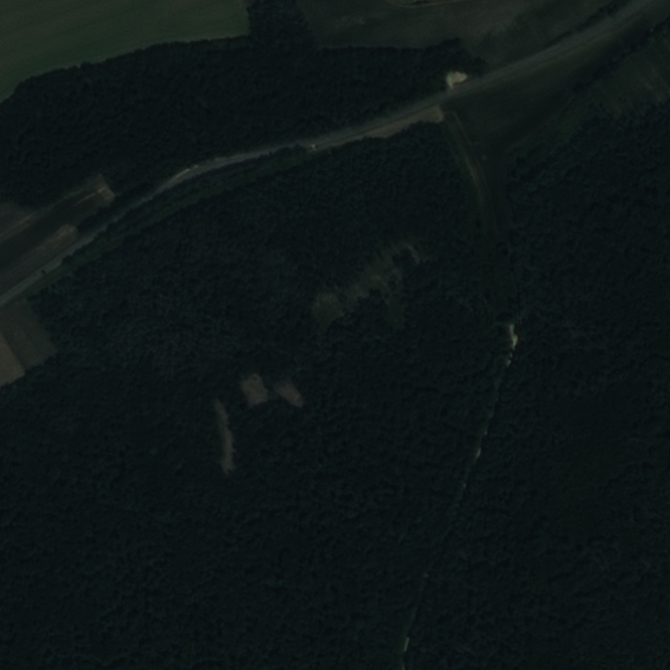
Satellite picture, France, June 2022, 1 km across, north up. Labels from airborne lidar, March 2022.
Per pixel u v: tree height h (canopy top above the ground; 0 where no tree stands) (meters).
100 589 19
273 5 16
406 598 21
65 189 17
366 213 17
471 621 25
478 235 6
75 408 20
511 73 0
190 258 19
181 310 19
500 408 21
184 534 0
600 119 17
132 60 13
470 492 17
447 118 0
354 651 23
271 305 22
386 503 22
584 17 0
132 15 0
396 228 22
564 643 18
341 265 22
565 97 0
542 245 18
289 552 23
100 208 0
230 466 0
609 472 7
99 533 22
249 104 18
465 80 0
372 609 20
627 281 14
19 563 0
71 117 13
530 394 18
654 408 12
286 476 20
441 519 22
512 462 16
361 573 20
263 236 17
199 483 20
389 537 22
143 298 21
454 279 18
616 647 21
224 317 23
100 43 0
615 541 17
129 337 17
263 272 19
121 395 21
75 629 20
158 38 0
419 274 21
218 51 18
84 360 15
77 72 13
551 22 0
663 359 15
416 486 20
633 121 6
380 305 22
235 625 23
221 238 21
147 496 21
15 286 0
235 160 0
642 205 21
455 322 23
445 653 19
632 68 0
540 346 18
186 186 13
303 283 20
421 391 18
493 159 0
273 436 23
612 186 16
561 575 15
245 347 22
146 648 0
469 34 0
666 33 14
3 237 0
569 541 21
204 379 0
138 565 17
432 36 0
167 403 22
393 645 18
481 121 0
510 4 0
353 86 20
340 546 21
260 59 19
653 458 16
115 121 0
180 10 0
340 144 0
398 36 0
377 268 0
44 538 0
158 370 22
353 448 18
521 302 19
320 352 26
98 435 0
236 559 22
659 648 21
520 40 0
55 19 0
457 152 0
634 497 19
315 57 16
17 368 0
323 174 19
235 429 20
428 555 18
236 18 0
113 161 21
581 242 16
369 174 17
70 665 0
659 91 0
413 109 0
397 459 23
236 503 18
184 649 24
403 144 18
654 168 15
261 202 22
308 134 15
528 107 0
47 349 0
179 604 20
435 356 25
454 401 20
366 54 16
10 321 0
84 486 20
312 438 18
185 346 23
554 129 0
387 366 19
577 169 14
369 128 0
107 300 17
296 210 21
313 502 17
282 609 22
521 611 19
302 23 10
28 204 15
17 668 0
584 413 7
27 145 17
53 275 0
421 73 18
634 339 14
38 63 0
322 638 24
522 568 16
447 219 21
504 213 0
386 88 17
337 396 22
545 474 15
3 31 0
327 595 20
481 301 19
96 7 0
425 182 16
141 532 23
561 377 21
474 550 19
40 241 0
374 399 16
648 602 21
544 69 0
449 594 23
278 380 26
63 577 0
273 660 18
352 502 24
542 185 23
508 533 15
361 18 0
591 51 0
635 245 15
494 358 22
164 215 0
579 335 0
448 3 0
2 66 0
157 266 17
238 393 23
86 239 0
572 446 6
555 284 20
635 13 0
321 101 17
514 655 25
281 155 15
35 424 16
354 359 22
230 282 21
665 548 19
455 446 21
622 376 15
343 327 20
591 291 11
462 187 17
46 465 0
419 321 21
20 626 21
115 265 16
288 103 18
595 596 18
